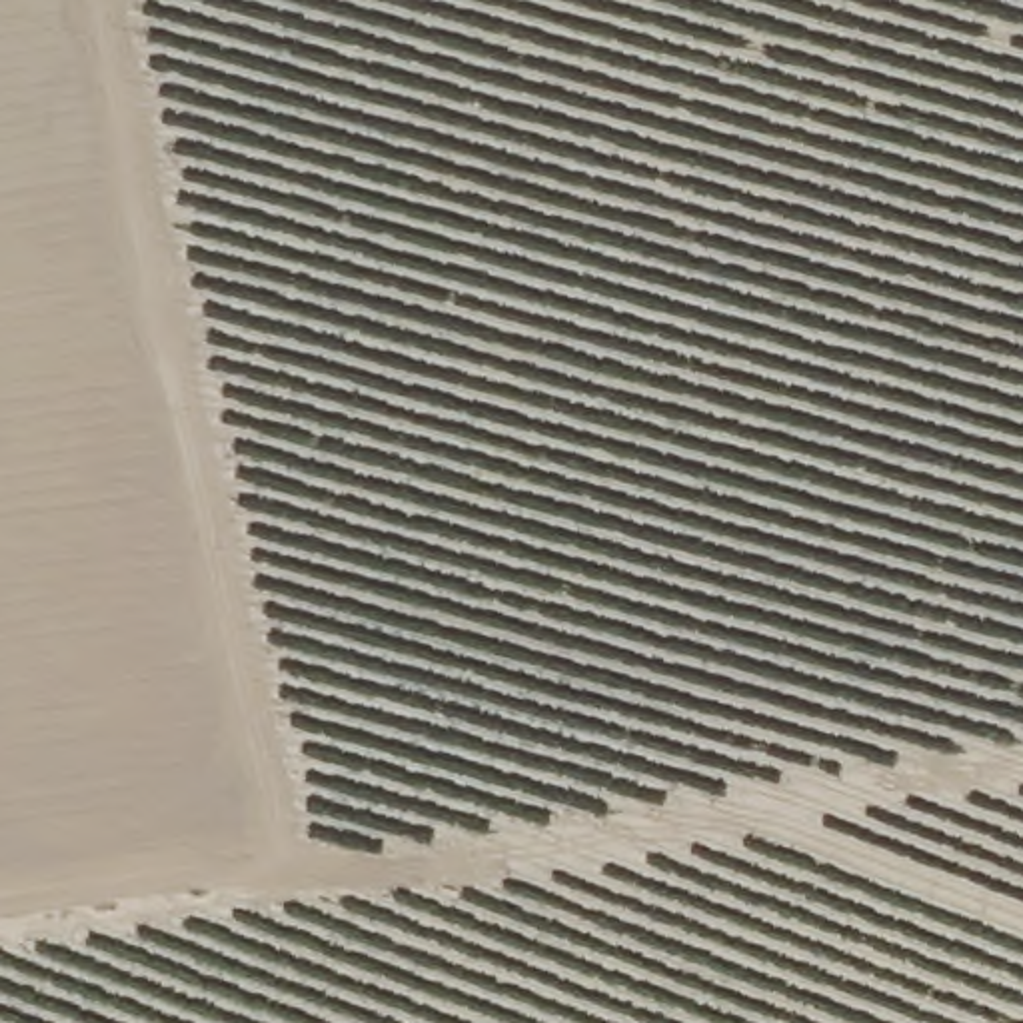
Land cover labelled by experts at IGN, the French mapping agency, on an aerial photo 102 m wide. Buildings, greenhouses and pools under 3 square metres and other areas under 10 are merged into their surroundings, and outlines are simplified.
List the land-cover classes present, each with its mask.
<instances>
[{"label":"vineyard","instance_id":"1","mask_svg":"<svg viewBox=\"0 0 1023 1023\"><path fill-rule=\"evenodd\" d=\"M152 68L164 96V124L196 128V140H176V156L188 168L180 180V204L196 208L188 260L192 284L204 288L212 344L208 368L224 376V424L256 428L252 440H236V476L244 480L240 508H248V523L256 535L252 559L256 587L268 603V639L280 647L284 659L280 695L292 703V727L304 731V755H312L308 835L352 851H380L388 835L432 843V831L440 823L476 835H484L488 827L500 811L527 823H547L555 803H567L587 815H607V791H619L639 803H663L679 783L707 795H723L731 775L775 783L791 763L839 775L859 755L867 763L887 767L895 763V751L875 747V735L907 739L915 747L943 755H955L963 735H979L1007 747L1015 743V723H1023V0H144ZM823 827L1023 903V787H1015L1007 799L971 791L959 807L907 795L895 811L867 807L855 823L843 815H823ZM0 1023H1023V939L763 835H747L739 855L691 843V855L683 863L655 851L639 871L623 863H603L595 879L571 871H551L543 887L515 879H504L496 895L464 887V895L452 907L432 895L396 887V895L384 907L360 895L324 899L320 907L292 899L276 919L240 907L224 923L192 915L180 923L176 935L144 923L128 939L96 931L76 951L48 939H40L28 955H12L0 947Z\"/></svg>","mask_w":1023,"mask_h":1023},{"label":"plowed land","instance_id":"2","mask_svg":"<svg viewBox=\"0 0 1023 1023\"><path fill-rule=\"evenodd\" d=\"M176 140H196V128L164 124V96L152 68L144 0H0V947L12 955H28L40 939H48L76 951L96 931L128 939L144 923L176 935L180 923L192 915L224 923L240 907L276 919L292 899L320 907L324 899L360 895L384 907L396 895V887L432 895L452 907L464 895V887L496 895L504 879H515V871L508 867L512 855L504 835L488 827L484 835H476L440 823L432 831V843L388 835L380 851H352L308 835L312 755H304V731L292 727V703L280 695L284 659L280 647L268 639V603L256 587L252 559L256 535L248 523V508H240L244 480L236 476V440H252L256 428L224 424V376L208 368L212 344L204 288L192 284L188 260L196 208L180 204V180L188 168L176 156ZM803 851L1023 939V903L823 827Z\"/></svg>","mask_w":1023,"mask_h":1023},{"label":"pervious surface","instance_id":"3","mask_svg":"<svg viewBox=\"0 0 1023 1023\"><path fill-rule=\"evenodd\" d=\"M1015 743L1007 747L979 735H963L955 755H943L915 747L907 739L875 735V747L895 751V763L887 767L867 763L859 755L839 775L791 763L775 783L731 775L723 795H707L679 783L663 803H639L619 791H607V815H587L567 803H555L547 823H527L500 811L488 827L504 835L512 855L508 867L515 871V879L543 887L551 871H571L595 879L603 863H623L639 871L655 851L683 863L691 855V843L739 855L747 835H763L803 851L823 827V815H843L855 823L867 807L895 811L907 795L959 807L971 791L1007 799L1015 787H1023V723H1015Z\"/></svg>","mask_w":1023,"mask_h":1023}]
</instances>
